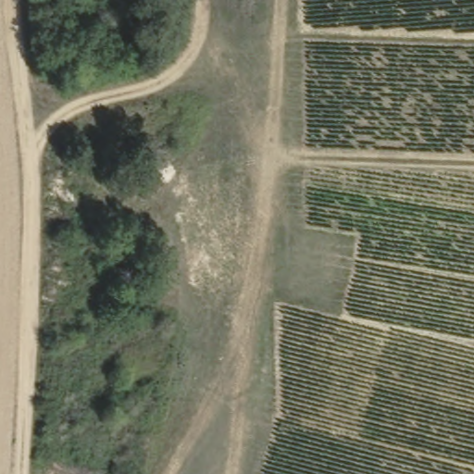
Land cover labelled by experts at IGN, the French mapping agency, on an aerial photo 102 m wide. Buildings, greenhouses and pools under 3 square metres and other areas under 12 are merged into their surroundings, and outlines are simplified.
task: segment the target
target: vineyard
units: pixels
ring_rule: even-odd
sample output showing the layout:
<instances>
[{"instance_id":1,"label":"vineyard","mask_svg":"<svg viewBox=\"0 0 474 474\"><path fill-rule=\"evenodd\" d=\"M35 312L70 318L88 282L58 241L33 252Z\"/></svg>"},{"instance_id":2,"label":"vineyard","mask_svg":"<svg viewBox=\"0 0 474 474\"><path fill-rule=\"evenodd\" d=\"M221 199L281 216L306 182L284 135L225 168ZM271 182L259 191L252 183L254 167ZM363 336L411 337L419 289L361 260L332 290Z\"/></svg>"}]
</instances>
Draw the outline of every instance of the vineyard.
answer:
<instances>
[{"instance_id":1,"label":"vineyard","mask_svg":"<svg viewBox=\"0 0 474 474\"><path fill-rule=\"evenodd\" d=\"M409 31L474 31L474 0L306 0L306 22L313 28L357 26L361 30L405 28Z\"/></svg>"},{"instance_id":2,"label":"vineyard","mask_svg":"<svg viewBox=\"0 0 474 474\"><path fill-rule=\"evenodd\" d=\"M272 415L278 418L278 422L274 428L276 441L270 446L267 467L263 468L261 474L474 474L474 172L461 174L446 170L433 176L402 170L376 172L368 168L331 167L330 170L326 170L326 174L320 174L320 168L311 168L311 183L307 187L309 224L330 228L330 220L337 220L341 230L359 231L359 257L355 267L354 287L348 294L348 311L341 313L341 318L322 317L318 313L300 311L294 307L281 307L281 302L274 302Z\"/></svg>"},{"instance_id":3,"label":"vineyard","mask_svg":"<svg viewBox=\"0 0 474 474\"><path fill-rule=\"evenodd\" d=\"M307 146L378 152L474 154L474 46L309 41L306 48L309 65L306 85Z\"/></svg>"}]
</instances>

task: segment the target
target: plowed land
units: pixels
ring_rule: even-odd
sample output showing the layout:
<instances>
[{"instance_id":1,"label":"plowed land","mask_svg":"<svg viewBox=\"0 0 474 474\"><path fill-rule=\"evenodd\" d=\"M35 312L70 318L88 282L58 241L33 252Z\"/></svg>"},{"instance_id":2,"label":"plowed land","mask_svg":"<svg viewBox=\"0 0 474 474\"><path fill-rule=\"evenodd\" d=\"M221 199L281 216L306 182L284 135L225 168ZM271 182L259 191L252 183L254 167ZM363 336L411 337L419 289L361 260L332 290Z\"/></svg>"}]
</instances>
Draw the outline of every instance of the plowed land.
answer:
<instances>
[{"instance_id":1,"label":"plowed land","mask_svg":"<svg viewBox=\"0 0 474 474\"><path fill-rule=\"evenodd\" d=\"M11 444L17 444L24 243L24 161L20 146L19 111L13 87L13 72L9 59L0 52L0 454L4 450L11 450Z\"/></svg>"}]
</instances>

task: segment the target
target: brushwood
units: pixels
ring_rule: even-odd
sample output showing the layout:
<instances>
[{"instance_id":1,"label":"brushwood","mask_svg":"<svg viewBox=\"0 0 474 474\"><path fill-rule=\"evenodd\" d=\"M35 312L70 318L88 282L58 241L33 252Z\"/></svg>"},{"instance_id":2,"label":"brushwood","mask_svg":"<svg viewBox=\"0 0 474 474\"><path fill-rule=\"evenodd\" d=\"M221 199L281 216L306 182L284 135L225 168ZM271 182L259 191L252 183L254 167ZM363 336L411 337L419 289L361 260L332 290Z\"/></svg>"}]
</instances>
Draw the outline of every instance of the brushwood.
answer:
<instances>
[{"instance_id":1,"label":"brushwood","mask_svg":"<svg viewBox=\"0 0 474 474\"><path fill-rule=\"evenodd\" d=\"M89 289L96 281L89 256L85 252L74 259L63 261L63 265L59 263L57 241L54 239L48 239L41 231L39 324L70 322L76 309L87 306Z\"/></svg>"},{"instance_id":2,"label":"brushwood","mask_svg":"<svg viewBox=\"0 0 474 474\"><path fill-rule=\"evenodd\" d=\"M35 393L31 396L33 430L28 474L146 474L144 437L161 433L165 407L176 404L183 398L183 391L178 385L185 376L183 352L189 350L189 337L187 331L183 330L176 309L159 309L152 322L131 339L118 337L106 330L102 333L94 331L93 337L81 348L78 348L74 341L69 341L56 344L54 350L44 352L37 344Z\"/></svg>"}]
</instances>

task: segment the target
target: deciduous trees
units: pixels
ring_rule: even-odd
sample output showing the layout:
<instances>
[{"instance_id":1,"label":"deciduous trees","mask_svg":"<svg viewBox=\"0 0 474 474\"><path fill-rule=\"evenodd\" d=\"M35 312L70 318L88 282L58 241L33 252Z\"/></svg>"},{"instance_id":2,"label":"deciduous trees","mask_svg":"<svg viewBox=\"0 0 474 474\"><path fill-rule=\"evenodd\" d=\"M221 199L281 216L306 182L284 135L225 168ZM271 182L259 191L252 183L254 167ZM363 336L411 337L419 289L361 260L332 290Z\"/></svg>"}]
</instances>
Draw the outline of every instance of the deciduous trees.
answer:
<instances>
[{"instance_id":1,"label":"deciduous trees","mask_svg":"<svg viewBox=\"0 0 474 474\"><path fill-rule=\"evenodd\" d=\"M70 322L39 324L37 344L44 352L54 350L56 344L69 341L74 341L78 348L81 348L93 337L94 331L102 333L106 330L118 337L131 339L152 322L159 309L161 300L180 280L180 254L176 246L168 246L165 231L157 226L148 213L133 211L130 217L109 224L106 230L100 230L98 226L89 226L85 231L65 230L54 239L57 241L59 263L63 265L63 261L74 259L85 252L89 256L96 281L89 289L87 306L76 309Z\"/></svg>"},{"instance_id":2,"label":"deciduous trees","mask_svg":"<svg viewBox=\"0 0 474 474\"><path fill-rule=\"evenodd\" d=\"M28 6L30 20L39 20L43 26L43 31L39 35L31 37L31 43L44 44L44 54L39 57L39 70L33 76L46 78L67 102L85 94L154 78L159 72L174 65L191 41L196 0L31 0Z\"/></svg>"},{"instance_id":3,"label":"deciduous trees","mask_svg":"<svg viewBox=\"0 0 474 474\"><path fill-rule=\"evenodd\" d=\"M72 161L63 161L61 176L69 170L93 174L96 180L106 185L107 194L120 193L126 198L154 193L163 183L163 168L156 163L156 154L150 146L152 143L137 141L131 146L115 146L111 141L100 141L96 137L91 137L91 148L85 148L80 157Z\"/></svg>"}]
</instances>

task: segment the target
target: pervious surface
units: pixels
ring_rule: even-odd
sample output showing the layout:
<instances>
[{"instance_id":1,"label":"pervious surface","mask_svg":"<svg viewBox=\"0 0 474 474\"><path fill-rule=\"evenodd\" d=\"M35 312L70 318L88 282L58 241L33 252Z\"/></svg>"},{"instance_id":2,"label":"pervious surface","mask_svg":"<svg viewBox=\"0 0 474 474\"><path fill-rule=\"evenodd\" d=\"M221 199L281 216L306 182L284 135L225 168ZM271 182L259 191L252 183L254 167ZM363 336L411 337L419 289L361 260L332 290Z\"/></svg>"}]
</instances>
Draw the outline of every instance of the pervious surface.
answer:
<instances>
[{"instance_id":1,"label":"pervious surface","mask_svg":"<svg viewBox=\"0 0 474 474\"><path fill-rule=\"evenodd\" d=\"M31 396L35 393L37 344L39 324L41 231L41 157L48 141L50 126L70 120L85 111L91 111L96 106L113 106L124 100L157 93L172 85L174 81L180 80L185 70L193 65L194 59L202 50L202 44L206 41L209 0L196 0L191 41L174 65L159 72L154 78L85 94L67 102L65 106L59 107L57 111L44 118L39 128L33 126L30 70L20 54L17 41L19 24L15 22L15 0L0 0L0 52L9 59L13 72L13 87L19 111L20 146L24 161L24 243L17 444L11 444L11 450L4 450L0 454L0 474L28 474L33 430Z\"/></svg>"},{"instance_id":2,"label":"pervious surface","mask_svg":"<svg viewBox=\"0 0 474 474\"><path fill-rule=\"evenodd\" d=\"M220 407L228 407L231 413L230 446L226 459L228 474L237 474L243 461L244 433L250 431L250 422L237 405L246 402L244 389L250 385L248 370L256 346L256 326L259 324L259 313L263 304L261 298L257 298L257 293L261 289L261 265L267 252L268 230L272 218L272 194L276 189L278 176L287 168L311 168L320 168L320 174L326 174L326 170L330 170L331 167L368 168L376 172L402 170L433 176L446 170L461 174L474 172L474 154L378 152L307 146L283 146L280 137L289 0L274 0L272 31L268 44L270 76L267 117L263 143L256 148L261 152L259 178L254 181L257 185L254 194L256 220L250 228L250 239L244 244L239 257L239 265L244 272L243 291L231 306L230 346L218 357L220 363L217 367L217 376L207 383L207 389L200 387L202 402L198 404L198 411L191 418L189 430L185 431L168 463L168 470L172 474L178 474L183 459L191 454L194 443L204 433L207 424L215 417Z\"/></svg>"}]
</instances>

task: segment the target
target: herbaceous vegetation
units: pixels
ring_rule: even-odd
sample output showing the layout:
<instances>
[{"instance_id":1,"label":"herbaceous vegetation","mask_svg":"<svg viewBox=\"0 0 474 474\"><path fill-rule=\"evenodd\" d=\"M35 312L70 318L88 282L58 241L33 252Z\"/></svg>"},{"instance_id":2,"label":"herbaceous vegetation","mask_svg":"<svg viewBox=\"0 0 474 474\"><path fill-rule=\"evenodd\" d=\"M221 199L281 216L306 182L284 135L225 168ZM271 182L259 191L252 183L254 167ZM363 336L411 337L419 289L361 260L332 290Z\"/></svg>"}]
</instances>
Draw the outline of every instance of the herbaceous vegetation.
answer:
<instances>
[{"instance_id":1,"label":"herbaceous vegetation","mask_svg":"<svg viewBox=\"0 0 474 474\"><path fill-rule=\"evenodd\" d=\"M306 48L309 41L474 46L474 31L409 31L405 28L361 30L357 26L313 28L306 22L306 0L289 0L280 137L283 146L307 146L306 85L309 65Z\"/></svg>"},{"instance_id":2,"label":"herbaceous vegetation","mask_svg":"<svg viewBox=\"0 0 474 474\"><path fill-rule=\"evenodd\" d=\"M67 102L46 78L33 76L39 70L39 57L44 54L44 44L31 43L31 37L39 35L43 31L43 26L39 20L30 20L28 6L31 0L15 0L15 22L19 24L17 41L20 54L30 70L33 126L39 128L44 118L57 111L59 107L65 106Z\"/></svg>"},{"instance_id":3,"label":"herbaceous vegetation","mask_svg":"<svg viewBox=\"0 0 474 474\"><path fill-rule=\"evenodd\" d=\"M309 224L307 187L311 183L311 168L287 168L278 176L276 189L272 194L272 218L268 230L267 252L261 265L261 289L257 293L257 298L261 298L263 304L259 313L259 324L256 326L256 346L248 370L250 385L244 389L246 402L237 405L250 422L250 431L244 433L243 461L237 474L261 474L263 468L267 467L270 446L276 441L274 428L278 422L278 418L272 415L274 302L281 302L281 307L294 307L300 311L318 313L322 317L341 318L341 313L348 311L348 294L354 287L355 267L359 257L359 231L341 230L337 220L330 220L330 228Z\"/></svg>"},{"instance_id":4,"label":"herbaceous vegetation","mask_svg":"<svg viewBox=\"0 0 474 474\"><path fill-rule=\"evenodd\" d=\"M189 337L189 350L183 352L185 376L178 385L183 391L183 398L176 404L165 407L161 433L144 437L146 474L172 474L168 470L168 463L185 431L189 430L191 418L198 411L198 404L202 402L200 387L207 389L207 383L217 376L217 367L220 363L218 357L230 346L231 306L243 291L244 272L239 265L239 257L244 244L250 239L250 228L256 220L254 194L257 185L254 181L259 178L261 152L256 148L263 143L267 117L270 76L268 44L272 31L274 0L209 0L206 41L202 44L202 50L194 59L193 65L185 70L180 80L174 81L172 85L157 93L124 100L113 106L96 106L91 111L85 111L70 120L50 126L48 141L41 157L41 231L48 239L54 239L65 230L85 231L89 226L98 226L100 230L106 230L109 224L130 217L133 211L148 213L157 226L165 231L168 246L176 246L180 254L180 280L161 300L159 309L176 309L183 330L187 331ZM80 157L85 148L91 148L91 137L96 137L100 141L111 141L115 146L131 146L137 141L152 143L150 146L156 154L156 163L163 168L163 183L154 193L126 198L120 193L107 194L106 185L96 180L93 174L69 170L61 176L63 161L72 161Z\"/></svg>"},{"instance_id":5,"label":"herbaceous vegetation","mask_svg":"<svg viewBox=\"0 0 474 474\"><path fill-rule=\"evenodd\" d=\"M178 474L228 474L226 459L230 446L231 413L228 407L220 407L215 417L207 424L204 433L194 443L191 454L183 459Z\"/></svg>"}]
</instances>

